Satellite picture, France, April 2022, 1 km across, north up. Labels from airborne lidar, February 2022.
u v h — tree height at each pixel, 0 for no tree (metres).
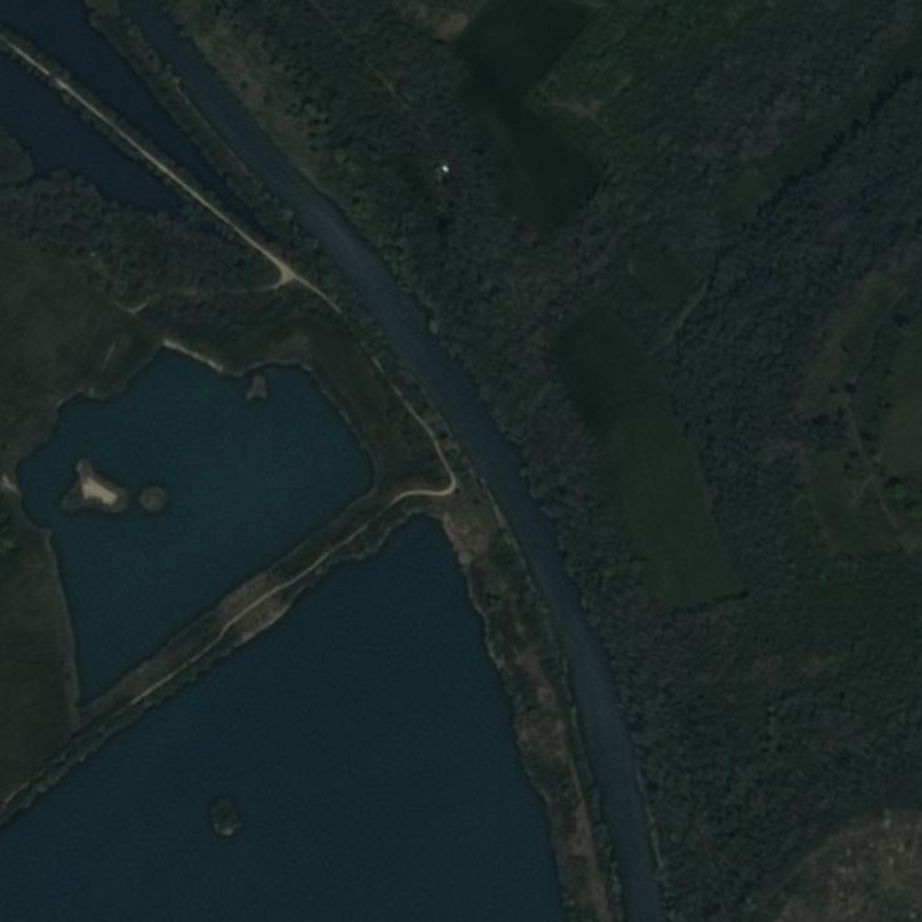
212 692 0
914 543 0
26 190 14
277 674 0
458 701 0
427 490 0
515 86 0
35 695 0
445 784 0
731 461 15
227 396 0
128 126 13
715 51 11
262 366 0
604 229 10
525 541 0
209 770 0
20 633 0
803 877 0
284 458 0
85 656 0
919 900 0
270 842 0
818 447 19
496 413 14
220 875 0
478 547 0
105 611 0
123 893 0
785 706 21
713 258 16
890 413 9
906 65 0
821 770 31
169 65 5
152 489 0
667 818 28
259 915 0
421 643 0
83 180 14
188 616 0
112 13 0
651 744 29
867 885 0
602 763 0
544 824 0
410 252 16
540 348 18
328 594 0
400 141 22
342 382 0
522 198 0
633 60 6
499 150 0
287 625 0
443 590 0
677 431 0
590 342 0
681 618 15
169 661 0
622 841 0
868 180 15
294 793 0
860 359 0
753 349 20
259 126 0
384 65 7
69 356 0
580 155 0
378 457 0
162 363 0
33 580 0
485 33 0
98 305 0
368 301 0
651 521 0
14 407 0
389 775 0
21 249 0
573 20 0
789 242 22
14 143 16
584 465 19
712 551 0
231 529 0
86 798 0
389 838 0
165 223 15
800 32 12
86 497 0
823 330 21
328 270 16
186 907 0
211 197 14
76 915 0
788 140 9
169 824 0
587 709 0
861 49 6
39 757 0
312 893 0
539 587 0
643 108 10
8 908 0
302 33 22
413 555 0
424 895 0
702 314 6
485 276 22
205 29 0
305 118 9
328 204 0
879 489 0
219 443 0
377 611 0
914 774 17
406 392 20
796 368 14
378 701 0
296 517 0
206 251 14
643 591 18
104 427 0
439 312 13
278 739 0
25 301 0
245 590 0
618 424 0
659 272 0
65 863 0
